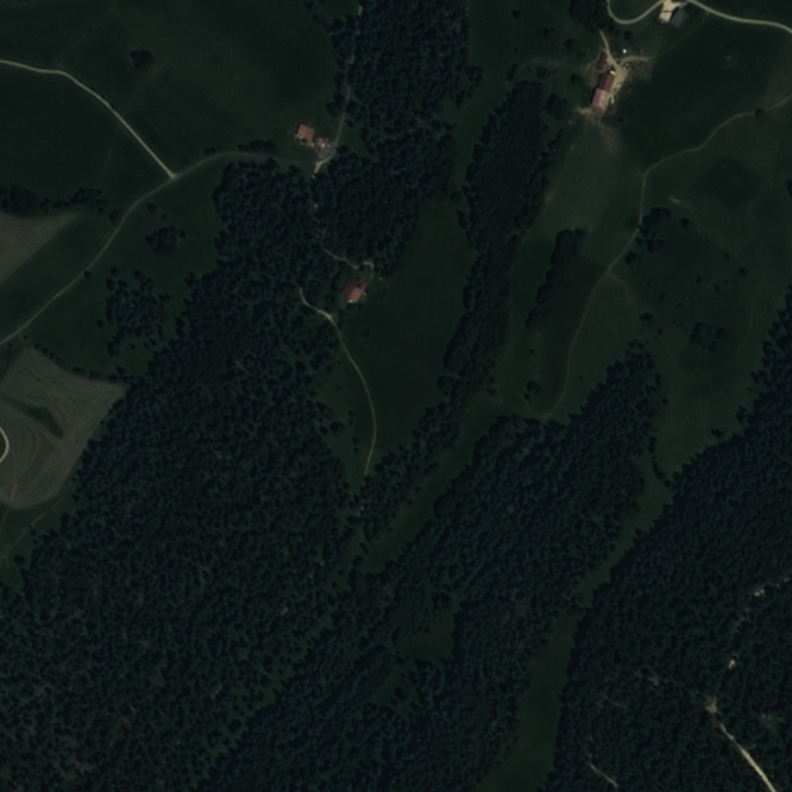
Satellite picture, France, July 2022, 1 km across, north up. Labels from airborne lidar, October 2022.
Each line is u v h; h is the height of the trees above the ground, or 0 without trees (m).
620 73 0
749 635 24
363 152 0
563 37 0
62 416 0
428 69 23
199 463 12
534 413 0
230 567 25
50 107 0
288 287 25
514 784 0
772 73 0
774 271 0
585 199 0
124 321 23
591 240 0
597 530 27
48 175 0
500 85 0
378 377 0
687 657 20
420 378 0
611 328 0
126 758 21
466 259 0
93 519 9
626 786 26
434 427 26
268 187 20
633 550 0
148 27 0
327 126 0
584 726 23
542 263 0
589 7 18
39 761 22
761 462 32
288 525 24
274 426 13
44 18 0
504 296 20
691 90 0
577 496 30
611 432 21
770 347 16
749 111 0
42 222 0
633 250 0
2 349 0
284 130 0
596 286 0
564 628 0
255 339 20
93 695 13
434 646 0
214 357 23
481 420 0
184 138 0
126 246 0
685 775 10
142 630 24
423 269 0
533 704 0
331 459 7
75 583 7
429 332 0
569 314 0
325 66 0
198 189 0
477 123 0
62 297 0
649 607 21
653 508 0
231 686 25
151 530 9
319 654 9
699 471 22
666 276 0
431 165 22
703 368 0
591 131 0
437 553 12
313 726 26
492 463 27
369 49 27
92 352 0
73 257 0
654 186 0
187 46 0
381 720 19
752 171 0
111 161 0
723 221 0
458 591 16
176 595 10
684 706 12
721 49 0
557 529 26
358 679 32
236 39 0
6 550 0
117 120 0
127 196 0
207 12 0
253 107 0
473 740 18
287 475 22
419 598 24
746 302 0
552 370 0
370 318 0
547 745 0
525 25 0
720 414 0
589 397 0
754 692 24
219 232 0
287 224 20
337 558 26
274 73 0
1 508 0
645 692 25
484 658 29
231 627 28
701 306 0
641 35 0
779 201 0
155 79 0
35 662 15
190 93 0
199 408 11
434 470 16
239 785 21
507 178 19
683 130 0
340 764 17
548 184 16
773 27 0
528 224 12
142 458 22
